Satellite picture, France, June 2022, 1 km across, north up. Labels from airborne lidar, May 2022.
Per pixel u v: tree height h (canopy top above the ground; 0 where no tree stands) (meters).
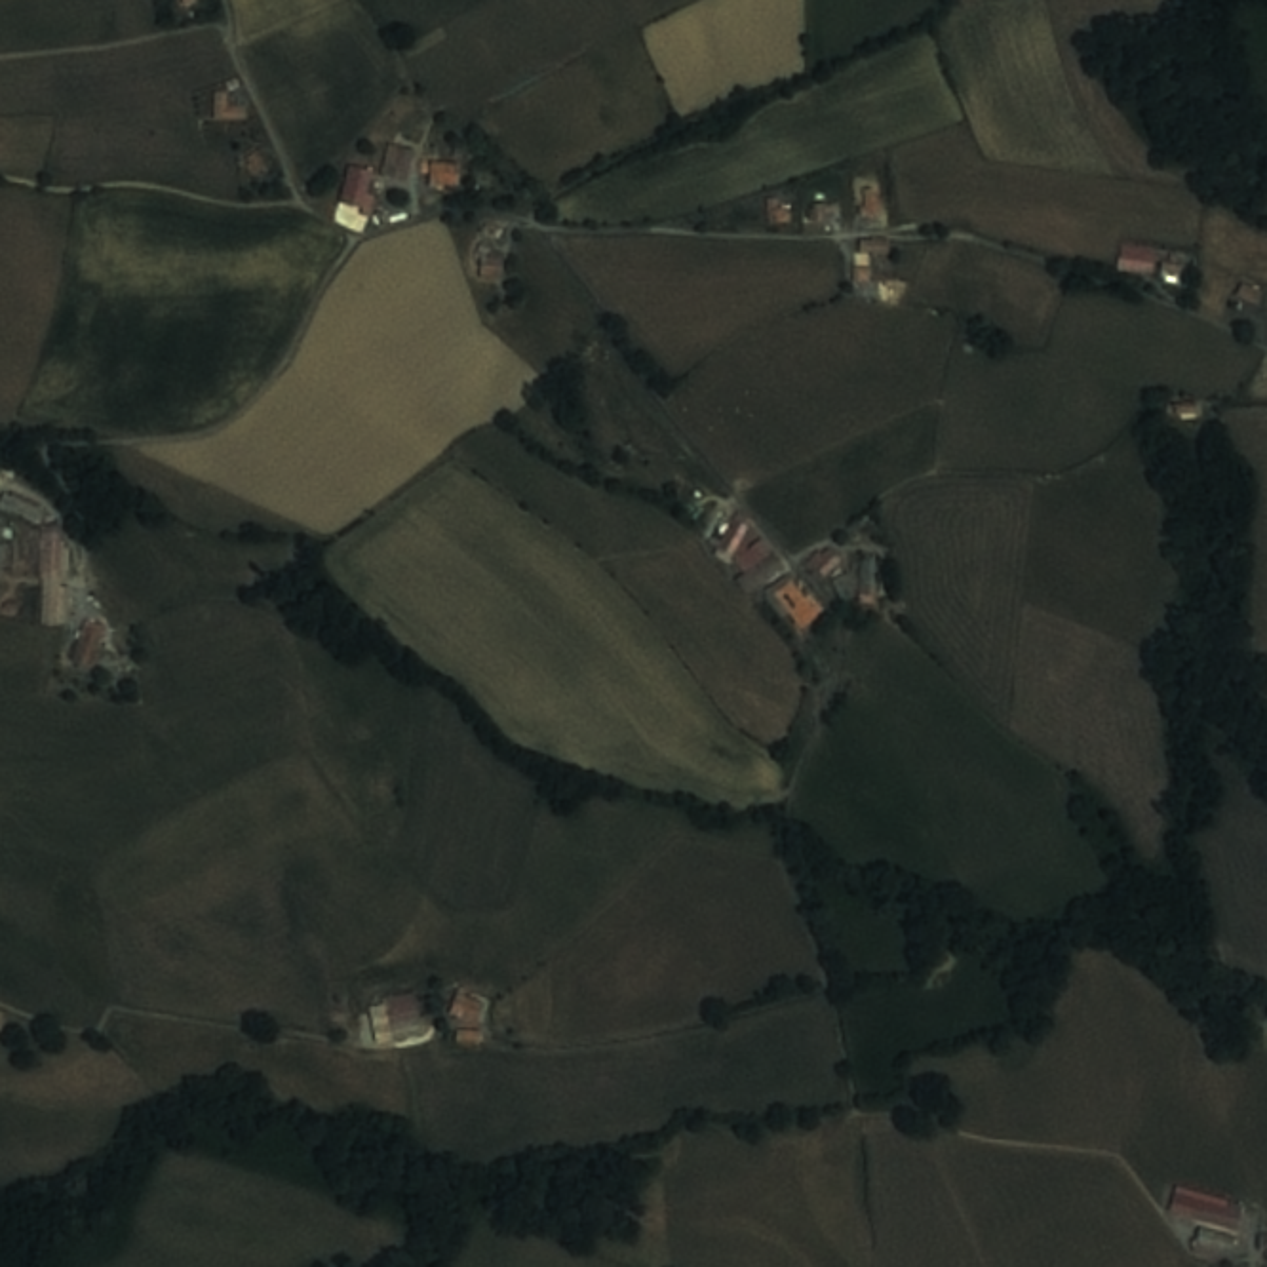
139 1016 0
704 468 0
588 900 0
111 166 0
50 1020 10
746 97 10
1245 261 0
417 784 0
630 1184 14
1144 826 0
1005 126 0
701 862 0
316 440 0
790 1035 0
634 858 0
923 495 0
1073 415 0
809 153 0
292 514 0
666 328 0
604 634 0
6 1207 15
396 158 0
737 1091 0
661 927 0
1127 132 0
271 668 0
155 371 0
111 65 0
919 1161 0
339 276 0
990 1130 0
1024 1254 0
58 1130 0
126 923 0
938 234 14
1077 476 0
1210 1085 0
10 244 0
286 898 0
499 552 0
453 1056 0
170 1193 0
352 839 0
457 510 0
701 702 0
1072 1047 0
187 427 0
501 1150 0
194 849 0
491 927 0
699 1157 0
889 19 0
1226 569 24
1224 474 21
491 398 0
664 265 0
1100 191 0
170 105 0
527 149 0
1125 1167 0
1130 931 22
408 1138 20
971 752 0
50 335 0
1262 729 24
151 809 0
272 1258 0
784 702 0
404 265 0
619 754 0
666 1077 0
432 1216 20
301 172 0
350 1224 0
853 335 0
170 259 0
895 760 0
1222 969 20
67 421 0
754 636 0
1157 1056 0
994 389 0
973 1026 0
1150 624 0
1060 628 0
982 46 0
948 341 0
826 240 0
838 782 0
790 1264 0
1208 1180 0
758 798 0
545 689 0
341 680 0
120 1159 12
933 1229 0
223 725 0
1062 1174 0
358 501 0
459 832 0
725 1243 0
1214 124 29
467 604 0
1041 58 0
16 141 0
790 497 0
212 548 0
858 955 0
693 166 0
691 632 0
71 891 0
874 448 0
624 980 0
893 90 0
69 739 0
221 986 0
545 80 0
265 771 0
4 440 7
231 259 0
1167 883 12
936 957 23
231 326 0
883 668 0
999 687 0
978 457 0
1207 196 12
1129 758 0
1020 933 10
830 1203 0
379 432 0
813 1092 0
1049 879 0
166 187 0
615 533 0
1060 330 0
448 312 0
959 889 13
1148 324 0
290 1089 0
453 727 0
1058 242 0
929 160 0
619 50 0
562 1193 18
